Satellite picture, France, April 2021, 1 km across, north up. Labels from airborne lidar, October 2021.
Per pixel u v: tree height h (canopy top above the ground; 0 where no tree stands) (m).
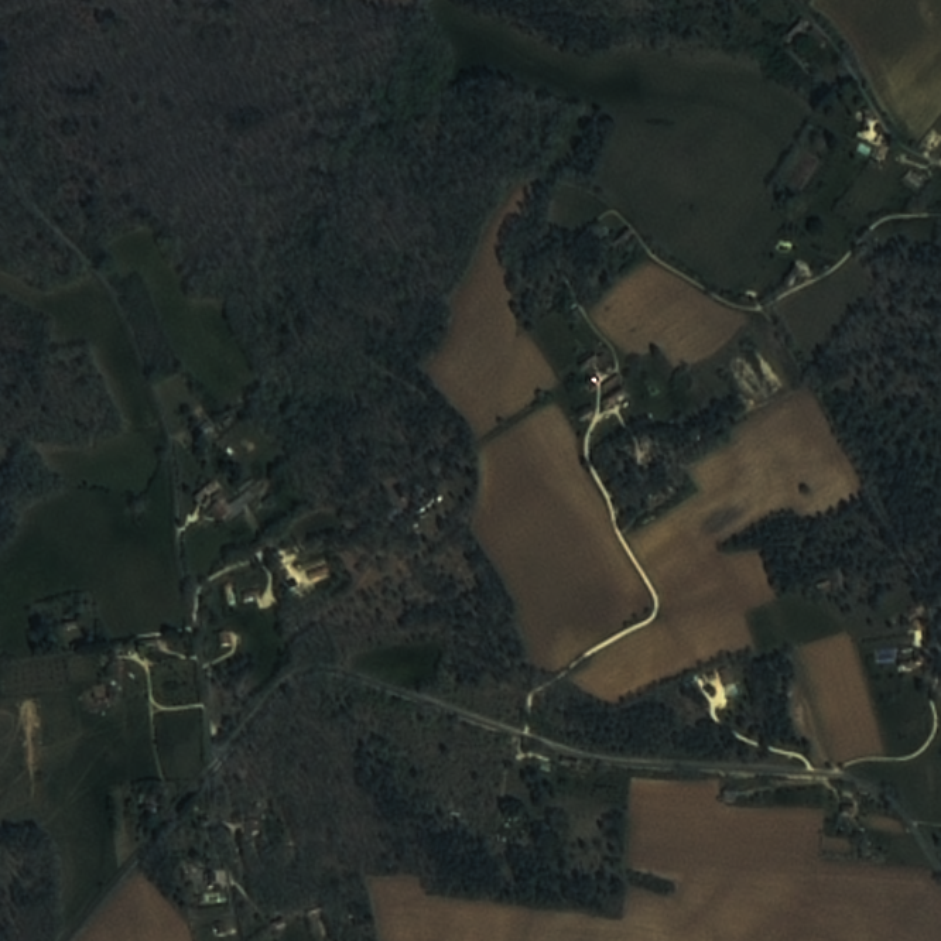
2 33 9
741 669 12
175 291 0
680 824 0
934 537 16
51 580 0
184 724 0
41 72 15
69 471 0
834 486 0
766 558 12
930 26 0
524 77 0
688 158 0
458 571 0
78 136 12
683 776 11
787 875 0
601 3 18
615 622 0
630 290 0
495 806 10
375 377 14
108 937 0
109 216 13
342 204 22
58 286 17
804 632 0
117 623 0
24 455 24
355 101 19
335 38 12
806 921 0
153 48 18
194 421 11
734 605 0
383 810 18
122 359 0
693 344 0
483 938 0
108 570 0
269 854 15
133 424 0
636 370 9
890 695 9
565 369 0
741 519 0
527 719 8
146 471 0
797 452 0
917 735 0
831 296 0
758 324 0
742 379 0
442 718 8
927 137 0
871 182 0
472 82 19
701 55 0
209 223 16
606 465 12
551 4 17
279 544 15
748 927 0
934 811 0
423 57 22
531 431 0
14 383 14
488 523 0
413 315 22
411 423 13
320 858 12
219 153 19
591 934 0
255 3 15
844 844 0
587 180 13
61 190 12
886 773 0
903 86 0
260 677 0
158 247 12
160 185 17
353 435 14
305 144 14
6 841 17
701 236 0
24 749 0
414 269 23
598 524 0
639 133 0
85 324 0
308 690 16
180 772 0
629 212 0
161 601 0
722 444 14
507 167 16
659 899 0
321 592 15
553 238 7
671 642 0
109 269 22
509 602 15
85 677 0
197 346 0
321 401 15
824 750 0
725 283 0
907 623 9
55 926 21
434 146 8
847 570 14
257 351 19
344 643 14
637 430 13
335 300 20
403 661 0
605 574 0
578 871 7
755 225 0
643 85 0
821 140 16
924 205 10
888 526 12
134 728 0
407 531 13
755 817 0
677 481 12
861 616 0
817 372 17
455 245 20
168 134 17
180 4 14
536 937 0
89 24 8
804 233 5
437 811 10
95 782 0
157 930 0
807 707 0
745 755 10
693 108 0
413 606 10
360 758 15
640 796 0
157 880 13
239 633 0
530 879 18
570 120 11
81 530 0
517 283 13
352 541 15
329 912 18
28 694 0
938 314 18
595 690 0
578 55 9
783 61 7
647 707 10
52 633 14
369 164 25
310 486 17
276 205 22
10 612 0
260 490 0
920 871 0
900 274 15
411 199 18
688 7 6
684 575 0
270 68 15
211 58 13
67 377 16
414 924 0
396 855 10
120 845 0
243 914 11
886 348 7
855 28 0
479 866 11
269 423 19
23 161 17
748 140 0
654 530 0
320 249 21
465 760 7
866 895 0
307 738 13
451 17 0
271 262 21
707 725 10
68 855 0
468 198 17
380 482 10
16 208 17
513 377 0
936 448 6
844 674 0
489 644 8
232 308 22
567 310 16
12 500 16
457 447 13
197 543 0
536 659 0
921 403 14
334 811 12
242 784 13
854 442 13
